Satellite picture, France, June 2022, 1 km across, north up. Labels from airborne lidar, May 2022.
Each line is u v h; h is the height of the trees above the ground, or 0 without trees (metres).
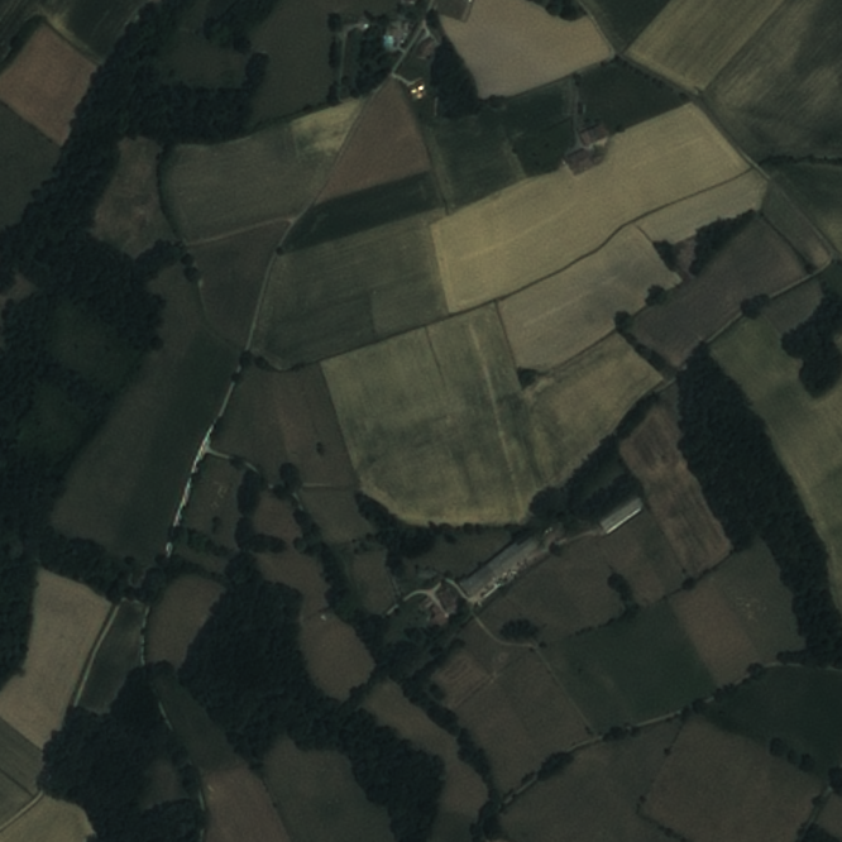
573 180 0
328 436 0
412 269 0
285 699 21
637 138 0
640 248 0
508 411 0
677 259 7
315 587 0
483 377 0
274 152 0
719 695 13
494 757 0
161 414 0
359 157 0
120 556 0
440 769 10
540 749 0
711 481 12
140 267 21
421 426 0
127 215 0
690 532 0
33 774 0
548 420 0
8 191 0
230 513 0
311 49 0
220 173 0
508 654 0
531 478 0
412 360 0
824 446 0
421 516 0
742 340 0
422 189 0
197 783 13
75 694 0
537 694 0
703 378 17
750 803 0
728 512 19
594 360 0
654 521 0
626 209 0
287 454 0
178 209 0
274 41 0
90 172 18
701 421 21
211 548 14
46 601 0
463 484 0
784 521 16
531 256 0
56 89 0
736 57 0
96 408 26
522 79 0
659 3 0
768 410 0
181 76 0
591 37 0
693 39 0
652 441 0
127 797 24
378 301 0
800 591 17
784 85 0
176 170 0
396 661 22
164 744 19
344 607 28
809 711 0
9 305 11
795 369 0
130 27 13
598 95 0
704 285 0
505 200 0
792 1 0
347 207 0
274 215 0
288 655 22
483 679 0
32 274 11
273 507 0
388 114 0
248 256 0
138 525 0
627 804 0
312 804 0
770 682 0
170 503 0
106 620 0
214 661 24
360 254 0
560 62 0
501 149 0
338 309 0
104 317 17
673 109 0
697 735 0
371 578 0
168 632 0
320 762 0
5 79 0
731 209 0
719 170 0
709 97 0
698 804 0
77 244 14
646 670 0
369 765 23
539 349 0
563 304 0
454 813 0
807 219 0
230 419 0
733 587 0
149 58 14
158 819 24
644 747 0
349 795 0
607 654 0
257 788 0
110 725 23
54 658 0
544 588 0
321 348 0
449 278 0
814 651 19
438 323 0
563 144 0
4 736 0
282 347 0
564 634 0
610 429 0
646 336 0
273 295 0
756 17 0
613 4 0
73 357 0
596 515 18
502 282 0
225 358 0
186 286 0
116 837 28
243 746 20
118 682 0
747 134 0
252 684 17
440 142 0
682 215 0
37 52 0
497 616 0
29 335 11
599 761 0
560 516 9
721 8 0
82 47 0
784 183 0
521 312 0
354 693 13
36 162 0
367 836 0
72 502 0
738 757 0
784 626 0
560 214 0
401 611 7
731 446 19
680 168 0
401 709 0
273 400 0
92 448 0
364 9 0
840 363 8
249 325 0
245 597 22
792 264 0
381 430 0
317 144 0
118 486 0
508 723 0
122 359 0
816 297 0
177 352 0
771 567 0
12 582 20
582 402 0
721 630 0
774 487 16
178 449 0
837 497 0
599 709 0
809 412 0
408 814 23
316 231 0
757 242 0
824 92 0
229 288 0
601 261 0
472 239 0
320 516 0
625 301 0
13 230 20
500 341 0
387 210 0
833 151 0
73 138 13
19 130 0
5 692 0
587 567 0
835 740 0
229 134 23
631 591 10
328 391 0
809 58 0
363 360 0
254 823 0
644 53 0
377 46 11
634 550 0
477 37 0
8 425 30
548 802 0
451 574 7
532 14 0
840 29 0
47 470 7
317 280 0
